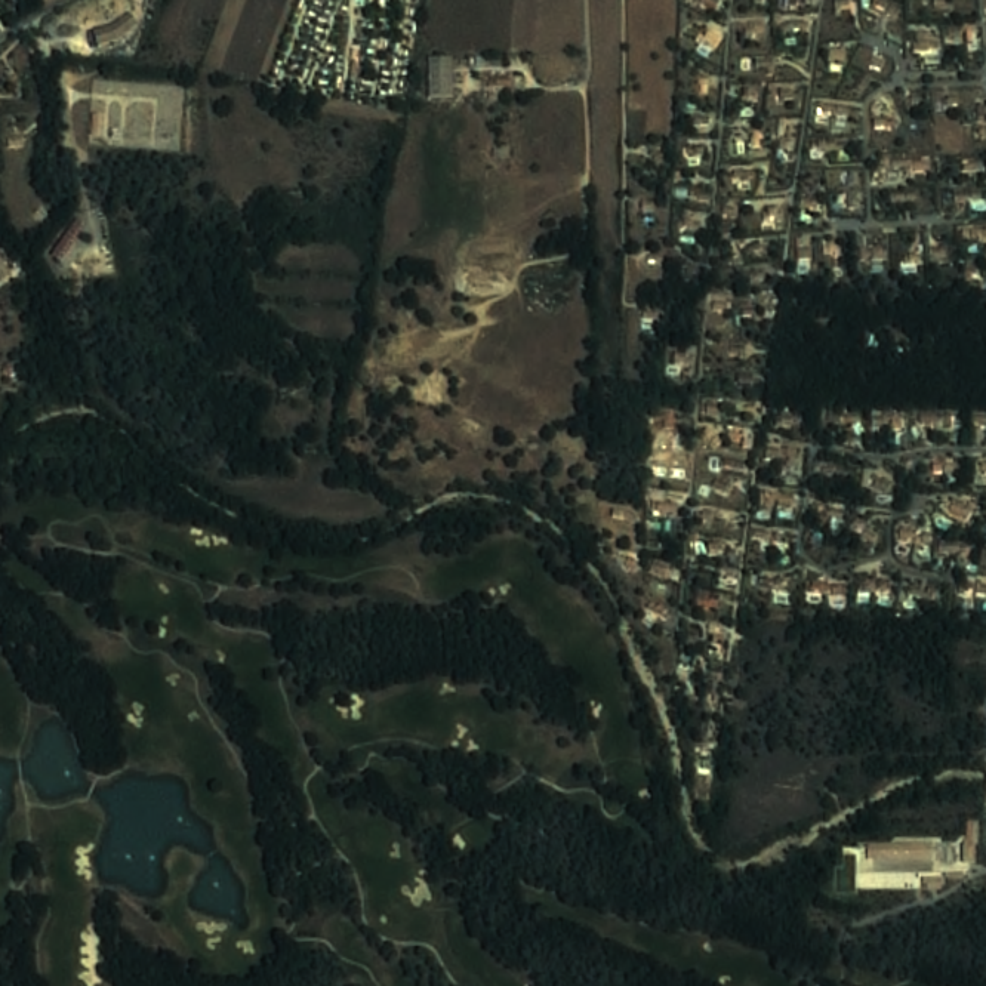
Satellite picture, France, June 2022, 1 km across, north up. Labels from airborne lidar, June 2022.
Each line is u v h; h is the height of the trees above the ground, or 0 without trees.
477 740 0
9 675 0
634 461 13
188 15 0
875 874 0
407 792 0
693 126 11
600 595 10
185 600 0
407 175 0
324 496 0
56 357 18
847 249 7
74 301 15
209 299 14
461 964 0
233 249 11
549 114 0
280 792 12
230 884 0
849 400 14
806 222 8
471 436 0
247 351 17
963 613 9
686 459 0
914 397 16
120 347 17
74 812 0
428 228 0
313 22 9
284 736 0
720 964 0
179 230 11
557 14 0
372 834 0
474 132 0
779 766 0
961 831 7
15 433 14
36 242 12
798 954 12
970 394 13
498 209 0
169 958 16
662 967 17
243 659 0
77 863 0
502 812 11
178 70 9
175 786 0
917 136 0
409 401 8
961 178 10
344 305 9
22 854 13
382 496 16
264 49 0
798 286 15
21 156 0
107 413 12
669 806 16
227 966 0
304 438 17
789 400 17
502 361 0
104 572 13
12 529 15
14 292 6
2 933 11
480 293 0
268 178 0
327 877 12
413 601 0
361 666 12
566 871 16
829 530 12
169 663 0
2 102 0
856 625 15
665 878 16
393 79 7
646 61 0
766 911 17
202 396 14
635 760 0
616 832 15
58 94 10
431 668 14
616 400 12
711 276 14
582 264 15
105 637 0
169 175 14
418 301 12
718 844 7
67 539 0
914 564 6
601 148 0
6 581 14
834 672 13
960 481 10
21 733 0
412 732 0
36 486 16
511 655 11
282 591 14
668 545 11
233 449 13
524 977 0
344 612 14
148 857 0
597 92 0
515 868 15
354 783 12
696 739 11
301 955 14
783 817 0
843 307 17
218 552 0
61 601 0
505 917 14
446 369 8
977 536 13
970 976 14
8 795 0
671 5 0
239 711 13
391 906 0
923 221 0
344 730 0
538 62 0
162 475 13
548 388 0
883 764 16
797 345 16
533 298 0
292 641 16
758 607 7
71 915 0
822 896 15
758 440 12
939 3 0
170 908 0
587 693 0
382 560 0
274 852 13
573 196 0
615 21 0
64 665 15
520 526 9
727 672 8
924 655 13
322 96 12
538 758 0
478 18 0
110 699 16
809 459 5
